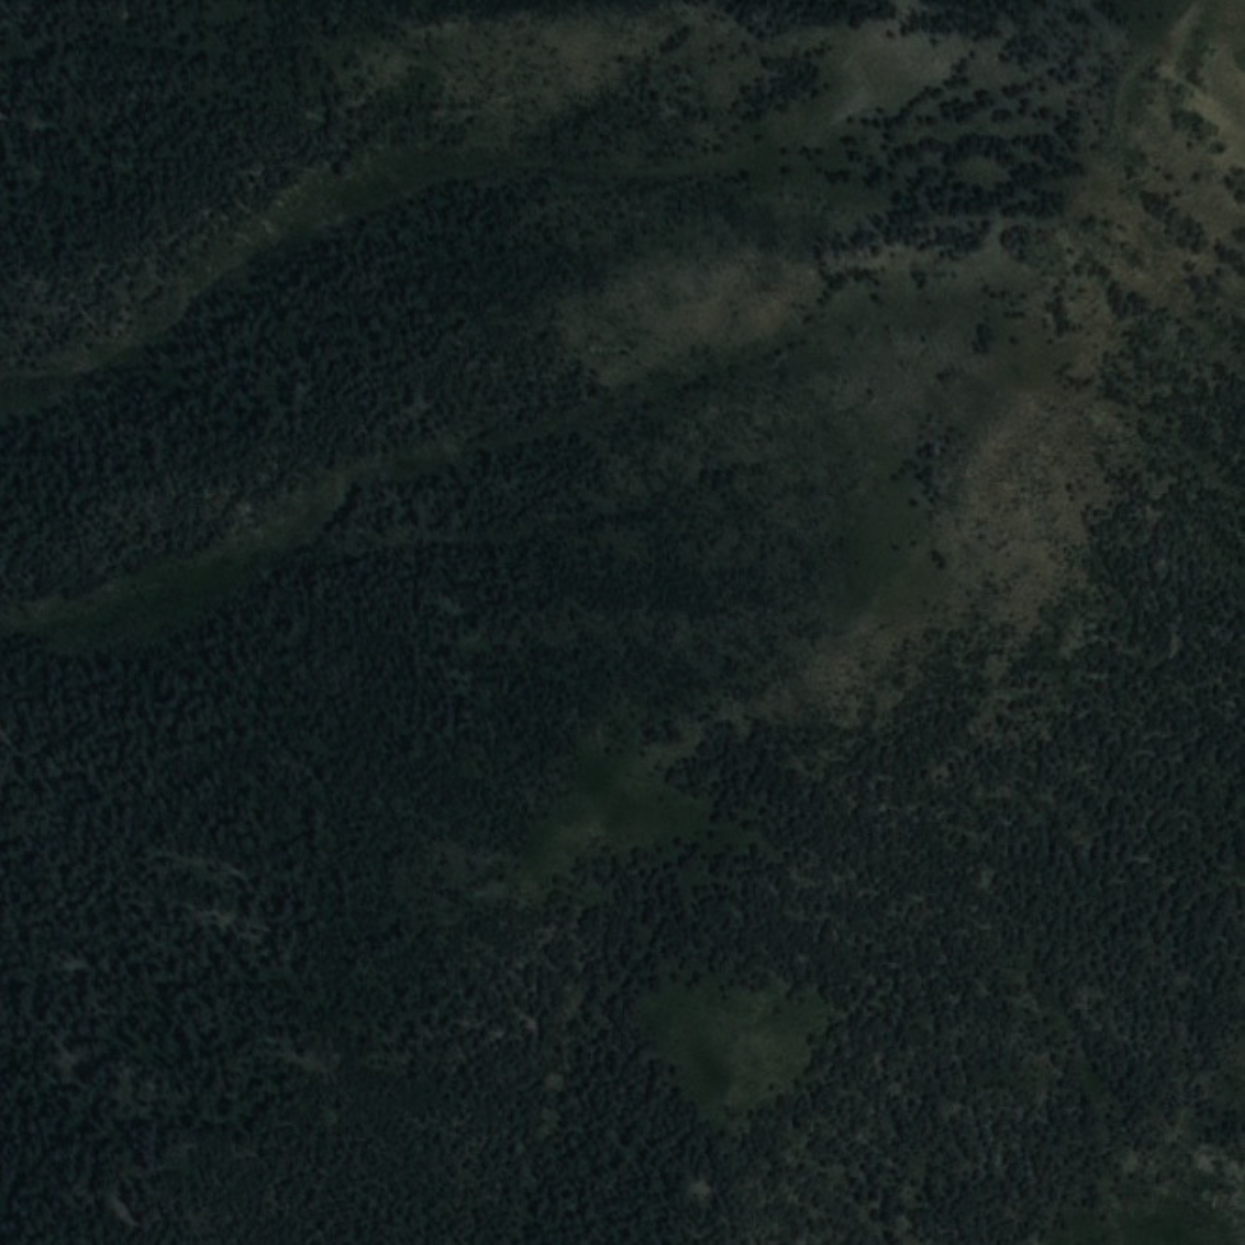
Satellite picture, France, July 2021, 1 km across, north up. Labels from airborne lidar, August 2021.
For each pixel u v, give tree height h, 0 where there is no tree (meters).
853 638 0
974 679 6
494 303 7
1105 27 0
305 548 6
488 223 8
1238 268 8
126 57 10
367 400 12
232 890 9
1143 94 0
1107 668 14
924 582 0
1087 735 15
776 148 0
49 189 11
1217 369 9
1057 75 8
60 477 14
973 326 0
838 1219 11
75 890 9
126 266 10
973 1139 15
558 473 10
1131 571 13
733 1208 12
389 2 6
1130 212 0
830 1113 14
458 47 0
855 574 0
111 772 16
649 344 0
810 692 0
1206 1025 14
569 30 0
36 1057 12
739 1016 0
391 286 13
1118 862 13
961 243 8
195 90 7
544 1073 9
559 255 6
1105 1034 16
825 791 14
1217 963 14
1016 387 0
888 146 8
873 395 11
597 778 0
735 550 6
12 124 12
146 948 14
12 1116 18
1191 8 0
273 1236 13
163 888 19
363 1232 23
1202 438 10
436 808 7
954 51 0
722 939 11
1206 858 16
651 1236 20
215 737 6
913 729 12
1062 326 8
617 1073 24
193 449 18
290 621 8
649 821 0
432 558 11
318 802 6
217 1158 7
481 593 13
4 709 17
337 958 7
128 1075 12
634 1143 21
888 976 12
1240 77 0
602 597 6
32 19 14
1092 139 0
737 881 12
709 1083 0
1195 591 12
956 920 16
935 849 13
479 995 17
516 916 6
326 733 9
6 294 7
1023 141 7
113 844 21
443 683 11
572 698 9
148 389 13
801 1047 0
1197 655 11
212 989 11
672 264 0
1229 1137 11
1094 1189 13
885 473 0
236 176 15
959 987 13
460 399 6
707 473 8
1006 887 15
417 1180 12
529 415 10
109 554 13
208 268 0
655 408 7
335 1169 22
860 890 14
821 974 15
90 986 19
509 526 7
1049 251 0
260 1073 11
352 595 11
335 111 15
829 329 0
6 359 15
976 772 14
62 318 12
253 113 12
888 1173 21
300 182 17
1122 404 7
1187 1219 0
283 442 11
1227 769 14
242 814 21
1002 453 0
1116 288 10
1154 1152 11
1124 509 12
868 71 0
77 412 7
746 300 0
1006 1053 12
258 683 8
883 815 12
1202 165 0
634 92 11
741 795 15
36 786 8
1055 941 11
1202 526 12
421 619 8
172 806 24
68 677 22
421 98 6
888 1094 16
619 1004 17
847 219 0
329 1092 8
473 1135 14
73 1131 19
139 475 10
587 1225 15
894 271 0
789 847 15
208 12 10
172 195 14
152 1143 15
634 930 13
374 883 20
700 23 0
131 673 17
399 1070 9
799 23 9
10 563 11
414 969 6
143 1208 17
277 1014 15
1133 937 20
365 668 7
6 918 23
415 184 0
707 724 12
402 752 12
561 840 0
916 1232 19
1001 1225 16
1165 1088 13
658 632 6
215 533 11
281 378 9
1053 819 10
